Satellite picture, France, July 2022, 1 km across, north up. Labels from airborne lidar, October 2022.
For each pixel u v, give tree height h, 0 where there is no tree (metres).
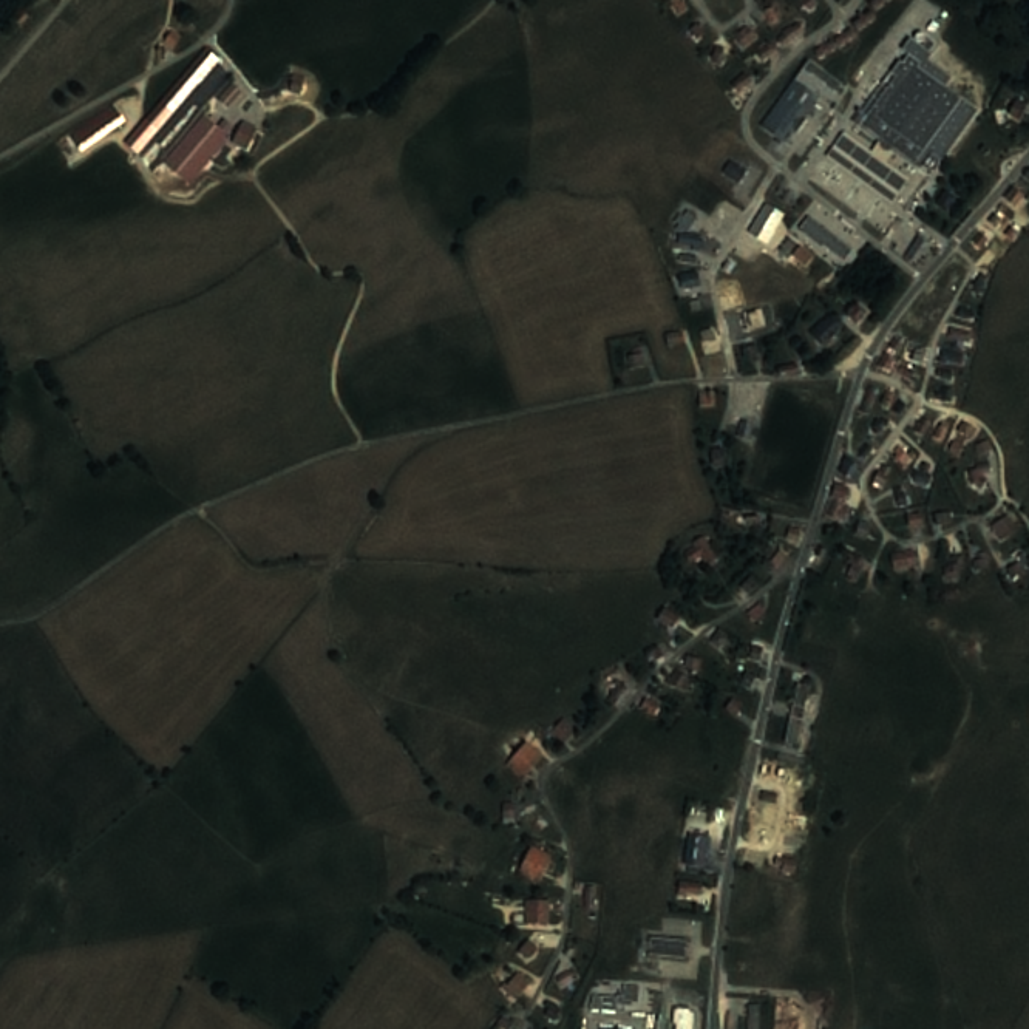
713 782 0
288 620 0
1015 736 0
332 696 0
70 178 0
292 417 0
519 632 0
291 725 0
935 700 0
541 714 0
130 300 0
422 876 8
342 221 0
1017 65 0
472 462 0
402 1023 0
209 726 0
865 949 0
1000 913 0
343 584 0
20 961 0
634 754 0
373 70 0
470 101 0
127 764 0
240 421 0
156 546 0
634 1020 0
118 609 0
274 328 0
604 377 0
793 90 0
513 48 0
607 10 0
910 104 0
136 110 0
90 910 0
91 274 0
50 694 0
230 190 0
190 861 0
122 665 0
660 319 0
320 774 0
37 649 0
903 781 0
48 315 0
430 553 0
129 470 0
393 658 0
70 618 0
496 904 0
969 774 0
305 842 0
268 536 0
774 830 0
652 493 0
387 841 0
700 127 0
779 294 0
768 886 0
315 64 0
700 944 0
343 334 0
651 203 0
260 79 0
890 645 0
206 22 0
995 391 0
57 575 0
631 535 0
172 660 0
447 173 0
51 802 0
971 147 0
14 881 0
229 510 0
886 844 0
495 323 0
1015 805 0
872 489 0
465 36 0
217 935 0
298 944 0
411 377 0
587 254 0
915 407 0
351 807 0
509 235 0
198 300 0
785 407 0
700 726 0
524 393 0
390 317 0
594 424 0
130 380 0
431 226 0
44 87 0
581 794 0
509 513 0
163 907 0
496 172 0
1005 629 0
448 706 0
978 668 0
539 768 0
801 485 0
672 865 0
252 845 0
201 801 0
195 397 0
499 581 0
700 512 0
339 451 0
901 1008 0
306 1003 0
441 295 0
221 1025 0
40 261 0
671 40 0
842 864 0
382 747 0
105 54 0
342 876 0
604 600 0
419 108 0
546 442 0
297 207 0
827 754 0
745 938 0
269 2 0
